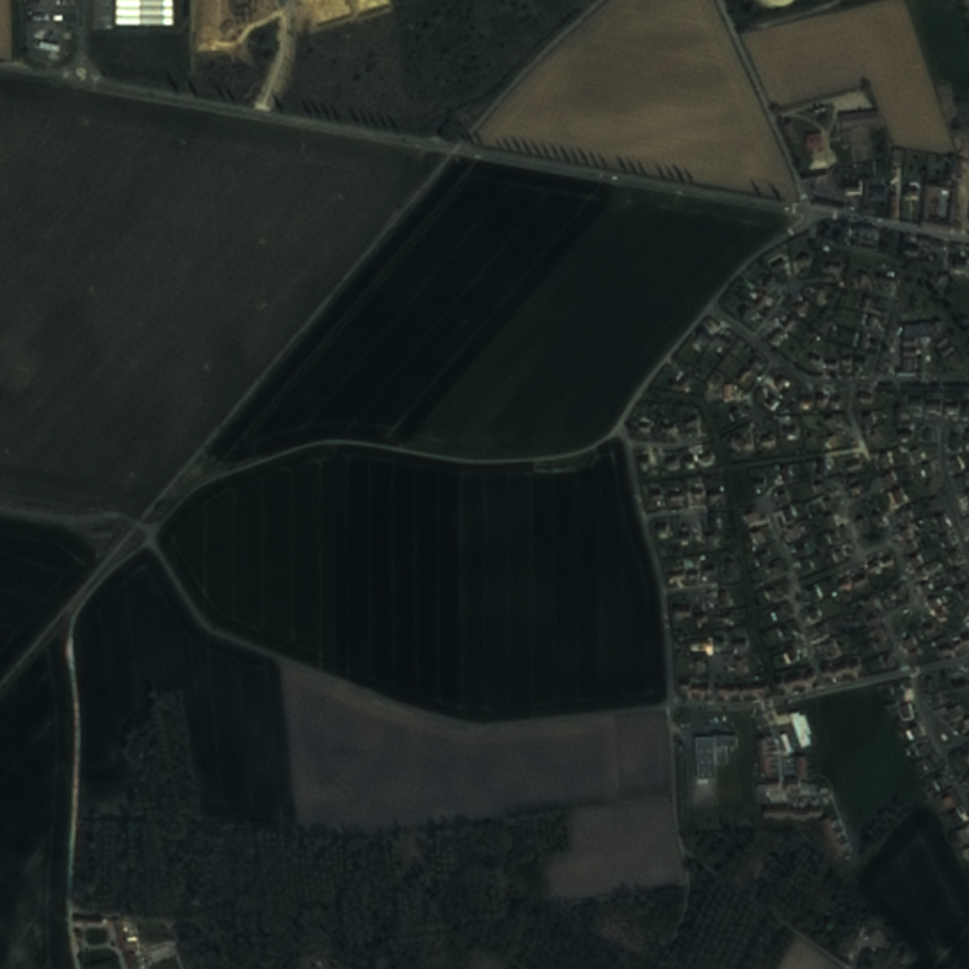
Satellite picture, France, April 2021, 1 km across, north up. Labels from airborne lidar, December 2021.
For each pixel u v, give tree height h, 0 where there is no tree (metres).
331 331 0
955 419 0
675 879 0
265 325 0
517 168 0
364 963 23
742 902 24
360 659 0
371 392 0
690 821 0
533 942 23
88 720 0
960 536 0
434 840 20
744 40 0
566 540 0
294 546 0
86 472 0
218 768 0
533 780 0
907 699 0
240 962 7
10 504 0
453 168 0
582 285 0
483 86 0
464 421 0
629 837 0
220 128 0
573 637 0
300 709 0
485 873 32
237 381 0
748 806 0
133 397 0
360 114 0
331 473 0
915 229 0
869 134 0
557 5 0
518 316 0
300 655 0
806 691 0
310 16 0
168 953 0
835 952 10
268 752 0
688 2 0
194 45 0
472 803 0
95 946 0
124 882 12
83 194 0
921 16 0
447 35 0
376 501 0
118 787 0
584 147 0
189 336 0
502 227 0
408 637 0
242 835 18
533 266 0
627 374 0
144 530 0
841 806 0
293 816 0
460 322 0
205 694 0
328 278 0
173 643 0
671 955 20
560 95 0
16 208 0
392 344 0
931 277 11
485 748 0
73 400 0
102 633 0
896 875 0
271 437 0
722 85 0
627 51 0
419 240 0
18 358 0
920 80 0
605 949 13
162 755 20
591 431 0
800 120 0
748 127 0
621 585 0
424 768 0
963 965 0
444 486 0
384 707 0
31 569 0
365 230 0
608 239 0
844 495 0
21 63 0
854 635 9
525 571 0
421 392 0
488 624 0
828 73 0
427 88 0
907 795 0
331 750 0
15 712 0
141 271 0
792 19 0
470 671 0
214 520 0
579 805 0
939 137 0
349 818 0
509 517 0
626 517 0
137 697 0
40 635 0
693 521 0
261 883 20
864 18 0
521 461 0
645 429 0
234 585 0
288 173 0
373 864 18
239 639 0
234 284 0
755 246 0
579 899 0
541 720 0
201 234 0
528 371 0
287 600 0
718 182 0
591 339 0
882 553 0
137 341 0
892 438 0
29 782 0
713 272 0
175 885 35
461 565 0
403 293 0
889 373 0
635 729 0
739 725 0
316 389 0
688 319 0
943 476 0
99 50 0
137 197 0
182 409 0
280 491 0
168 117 0
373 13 0
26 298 0
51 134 0
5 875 0
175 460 0
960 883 0
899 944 8
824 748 0
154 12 0
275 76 0
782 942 7
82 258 0
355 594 0
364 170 0
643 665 0
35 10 0
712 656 0
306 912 30
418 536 0
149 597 0
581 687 0
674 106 0
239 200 0
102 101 0
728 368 0
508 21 0
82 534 0
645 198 0
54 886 0
